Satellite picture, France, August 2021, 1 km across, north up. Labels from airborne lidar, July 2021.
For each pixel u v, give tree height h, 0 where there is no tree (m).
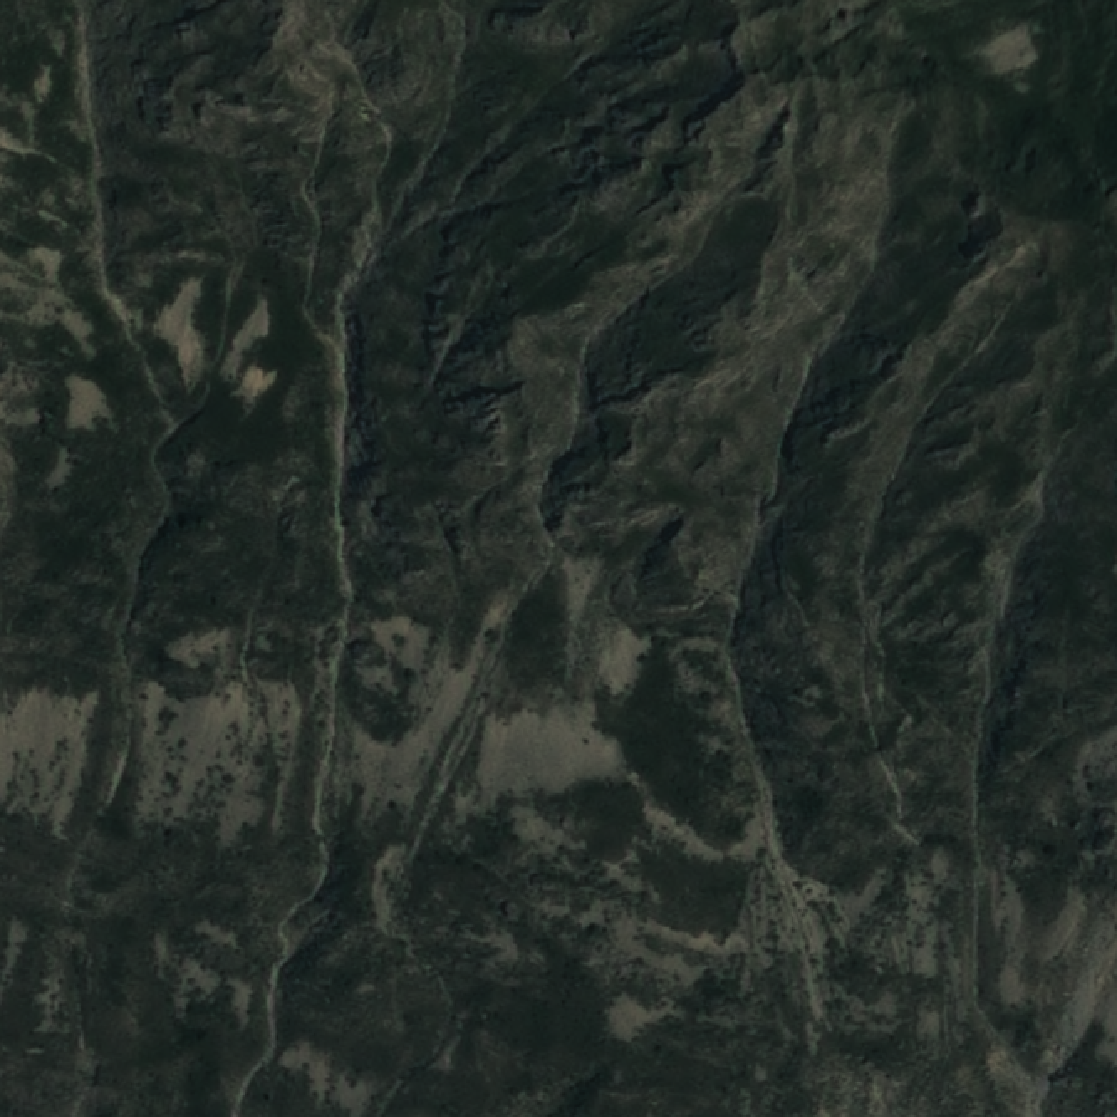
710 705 11
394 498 0
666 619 8
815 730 0
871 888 0
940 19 0
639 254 0
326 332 0
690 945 0
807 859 6
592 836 0
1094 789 13
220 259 0
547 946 8
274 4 0
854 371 0
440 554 8
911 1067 11
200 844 0
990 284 0
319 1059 0
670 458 0
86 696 0
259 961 8
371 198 0
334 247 0
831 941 7
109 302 0
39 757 0
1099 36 0
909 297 0
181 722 0
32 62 0
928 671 0
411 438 0
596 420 0
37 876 0
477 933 7
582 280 0
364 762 0
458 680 0
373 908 7
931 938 0
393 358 0
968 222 0
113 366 0
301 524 10
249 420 0
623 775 0
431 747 0
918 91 6
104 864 0
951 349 0
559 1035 0
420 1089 0
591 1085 7
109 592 8
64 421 0
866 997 6
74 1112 0
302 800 0
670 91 0
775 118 0
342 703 0
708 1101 0
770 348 0
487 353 0
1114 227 0
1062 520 0
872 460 0
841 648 0
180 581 6
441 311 0
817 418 0
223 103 0
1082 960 0
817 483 0
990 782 7
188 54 0
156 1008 0
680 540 0
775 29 0
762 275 0
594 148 0
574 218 0
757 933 0
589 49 0
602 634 0
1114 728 0
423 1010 0
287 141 0
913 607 0
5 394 0
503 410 0
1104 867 8
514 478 0
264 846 0
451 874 0
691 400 0
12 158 0
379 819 0
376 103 0
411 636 0
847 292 0
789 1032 0
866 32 0
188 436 0
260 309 0
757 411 0
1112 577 0
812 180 0
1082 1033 0
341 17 0
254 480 0
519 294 0
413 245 0
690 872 0
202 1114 0
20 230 0
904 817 11
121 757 0
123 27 0
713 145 0
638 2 0
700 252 0
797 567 0
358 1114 0
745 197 0
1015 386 0
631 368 0
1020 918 0
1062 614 0
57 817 0
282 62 0
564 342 0
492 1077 0
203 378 0
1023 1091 0
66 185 0
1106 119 0
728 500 0
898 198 0
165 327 0
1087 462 0
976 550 6
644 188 0
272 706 0
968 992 0
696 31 0
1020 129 0
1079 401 0
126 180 0
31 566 0
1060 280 0
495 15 0
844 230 0
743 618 7
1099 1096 6
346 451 0
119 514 7
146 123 0
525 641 0
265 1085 0
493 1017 7
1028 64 0
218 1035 0
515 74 0
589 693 0
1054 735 26
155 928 6
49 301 0
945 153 0
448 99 0
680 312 0
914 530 0
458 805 0
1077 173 0
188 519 8
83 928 0
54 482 0
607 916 6
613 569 0
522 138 0
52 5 0
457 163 0
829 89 0
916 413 0
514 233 0
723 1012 11
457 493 0
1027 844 6
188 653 0
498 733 0
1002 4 0
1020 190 0
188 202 0
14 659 0
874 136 0
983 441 0
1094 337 0
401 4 0
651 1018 0
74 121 0
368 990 0
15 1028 0
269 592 0
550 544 0
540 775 0
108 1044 0
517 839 6
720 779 6
